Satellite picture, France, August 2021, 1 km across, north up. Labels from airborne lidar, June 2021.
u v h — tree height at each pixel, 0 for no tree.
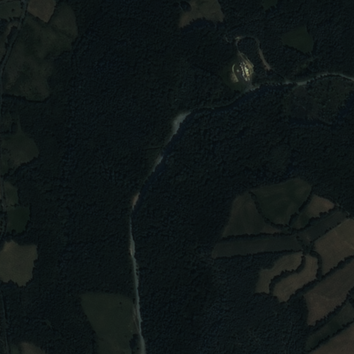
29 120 11
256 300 15
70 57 10
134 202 0
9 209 0
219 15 0
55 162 12
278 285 0
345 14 17
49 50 0
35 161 21
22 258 0
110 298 0
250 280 19
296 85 14
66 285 14
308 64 28
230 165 27
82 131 27
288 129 20
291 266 0
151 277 26
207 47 19
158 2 29
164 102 16
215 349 13
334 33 21
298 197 0
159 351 20
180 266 23
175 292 17
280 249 0
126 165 25
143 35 18
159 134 13
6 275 0
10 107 18
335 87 9
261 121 20
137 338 15
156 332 18
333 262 0
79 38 11
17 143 0
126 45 23
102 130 20
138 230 22
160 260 25
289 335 10
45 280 12
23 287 11
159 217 23
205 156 26
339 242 0
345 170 25
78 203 25
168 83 19
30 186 26
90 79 25
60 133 20
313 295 0
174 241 23
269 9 0
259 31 16
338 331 9
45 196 23
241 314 17
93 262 19
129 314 0
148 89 20
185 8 24
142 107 24
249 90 0
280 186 0
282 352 9
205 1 0
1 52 0
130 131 19
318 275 11
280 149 13
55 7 8
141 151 19
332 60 26
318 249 0
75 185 23
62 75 13
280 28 17
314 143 20
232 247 0
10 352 7
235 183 22
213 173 28
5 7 0
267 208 0
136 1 30
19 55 0
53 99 10
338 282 0
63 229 24
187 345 14
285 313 11
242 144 23
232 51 16
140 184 7
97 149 16
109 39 15
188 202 24
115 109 31
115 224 27
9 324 9
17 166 0
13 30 13
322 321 11
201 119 22
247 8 21
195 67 24
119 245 20
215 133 22
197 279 23
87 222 22
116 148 27
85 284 19
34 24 0
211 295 20
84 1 14
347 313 0
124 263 25
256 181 22
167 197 27
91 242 23
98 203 25
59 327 15
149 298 18
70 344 17
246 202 0
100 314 0
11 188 0
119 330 0
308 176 15
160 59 22
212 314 13
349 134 22
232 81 0
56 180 28
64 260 26
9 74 0
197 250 7
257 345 5
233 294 16
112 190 23
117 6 23
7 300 29
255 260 18
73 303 13
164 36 20
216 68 15
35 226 16
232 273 12
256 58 16
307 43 0
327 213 8
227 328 13
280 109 19
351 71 20
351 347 0
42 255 14
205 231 24
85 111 32
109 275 23
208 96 13
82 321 10
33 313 17
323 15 27
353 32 19
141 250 22
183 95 9
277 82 11
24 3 12
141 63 25
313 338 0
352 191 22
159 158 0
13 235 14
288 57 25
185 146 22
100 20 20
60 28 0
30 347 0
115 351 0
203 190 24
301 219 0
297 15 16
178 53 13
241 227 0
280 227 13
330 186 11
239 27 12
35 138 12
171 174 22
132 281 8
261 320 12
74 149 24
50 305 15
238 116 24
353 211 15
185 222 24
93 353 13
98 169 24
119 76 31
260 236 12
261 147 24
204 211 25
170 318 28
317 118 0
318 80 16
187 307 17
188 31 17
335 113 11
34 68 0
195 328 23
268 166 9
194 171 26
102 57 24
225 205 19
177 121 0
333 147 28
